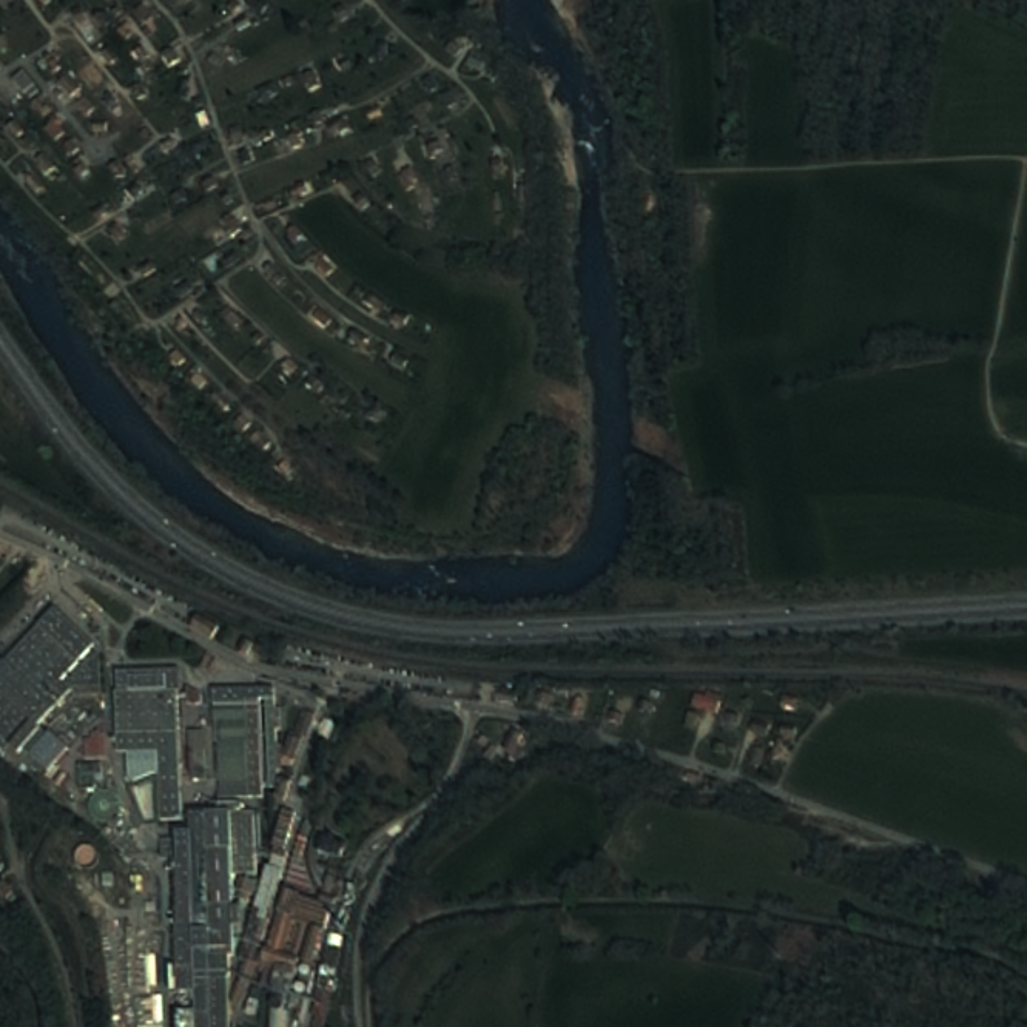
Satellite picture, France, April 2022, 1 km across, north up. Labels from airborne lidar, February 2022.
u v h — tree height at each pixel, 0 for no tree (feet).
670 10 0
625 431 0
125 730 0
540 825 0
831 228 0
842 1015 18
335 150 0
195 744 0
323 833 0
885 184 0
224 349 0
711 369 0
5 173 0
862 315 0
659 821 0
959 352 64
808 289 0
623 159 61
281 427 36
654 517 74
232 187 0
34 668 0
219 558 0
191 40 0
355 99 0
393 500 34
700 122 0
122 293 0
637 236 39
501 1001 0
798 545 0
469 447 0
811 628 0
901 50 73
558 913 0
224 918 0
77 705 0
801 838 0
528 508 55
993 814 0
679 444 0
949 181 0
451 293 0
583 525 29
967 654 0
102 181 0
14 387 0
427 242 0
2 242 0
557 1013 0
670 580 36
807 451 0
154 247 0
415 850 42
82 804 0
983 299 0
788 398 50
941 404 0
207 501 0
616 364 0
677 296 45
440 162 0
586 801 0
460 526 0
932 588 0
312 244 0
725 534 63
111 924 0
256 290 0
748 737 0
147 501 0
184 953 0
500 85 54
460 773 0
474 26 80
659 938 0
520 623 0
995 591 0
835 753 0
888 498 0
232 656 0
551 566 0
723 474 0
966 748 0
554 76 0
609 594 25
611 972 0
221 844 0
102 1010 40
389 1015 43
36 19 0
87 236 0
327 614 0
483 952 0
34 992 28
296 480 39
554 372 59
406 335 0
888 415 0
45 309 0
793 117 0
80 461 0
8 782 66
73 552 0
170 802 0
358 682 0
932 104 62
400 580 0
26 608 0
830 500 0
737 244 0
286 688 0
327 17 0
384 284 0
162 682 0
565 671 0
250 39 0
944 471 0
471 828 37
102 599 0
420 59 0
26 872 0
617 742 0
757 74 0
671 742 0
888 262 0
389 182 0
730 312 0
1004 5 53
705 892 0
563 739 54
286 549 0
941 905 84
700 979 0
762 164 0
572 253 70
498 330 0
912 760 0
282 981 0
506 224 0
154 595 0
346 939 44
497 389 0
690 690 0
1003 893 80
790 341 0
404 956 49
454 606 33
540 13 0
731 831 0
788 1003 65
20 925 60
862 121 64
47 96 0
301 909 0
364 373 0
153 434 0
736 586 29
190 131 0
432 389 0
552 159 45
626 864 0
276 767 0
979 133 0
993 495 0
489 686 0
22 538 0
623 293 33
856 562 0
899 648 0
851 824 0
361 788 62
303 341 0
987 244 0
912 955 59
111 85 0
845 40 88
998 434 0
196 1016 0
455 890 0
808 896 0
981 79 0
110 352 29
